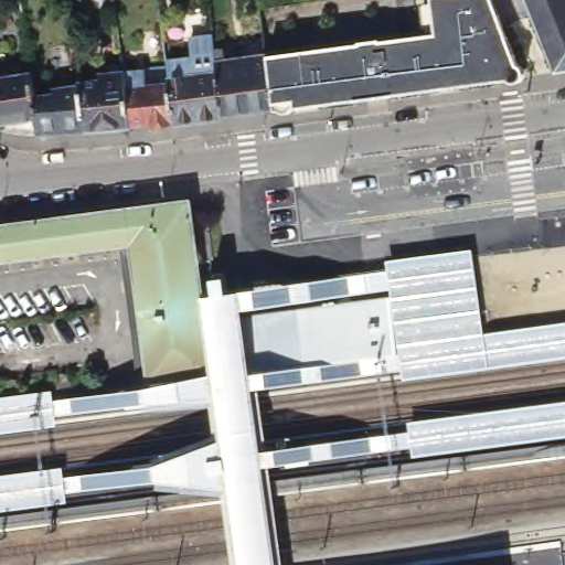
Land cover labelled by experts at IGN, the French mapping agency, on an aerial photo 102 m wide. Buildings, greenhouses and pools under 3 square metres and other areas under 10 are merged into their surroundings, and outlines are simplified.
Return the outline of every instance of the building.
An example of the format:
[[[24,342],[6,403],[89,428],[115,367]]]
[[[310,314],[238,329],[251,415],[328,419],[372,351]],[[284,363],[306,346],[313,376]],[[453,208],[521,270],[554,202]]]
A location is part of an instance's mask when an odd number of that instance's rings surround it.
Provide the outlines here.
[[[525,0],[530,7],[530,18],[539,29],[539,40],[545,51],[550,68],[565,68],[565,0]]]
[[[338,276],[296,285],[265,285],[238,294],[223,294],[221,280],[210,280],[207,298],[201,298],[199,256],[194,243],[190,201],[148,203],[117,210],[51,216],[38,221],[0,223],[0,265],[68,258],[110,249],[124,249],[128,254],[139,331],[139,364],[146,388],[66,399],[53,399],[51,393],[0,397],[0,435],[44,430],[62,424],[99,422],[141,413],[172,411],[207,411],[210,428],[216,435],[216,439],[210,446],[196,448],[181,457],[146,468],[77,477],[64,477],[57,468],[0,475],[0,512],[55,505],[64,503],[71,494],[84,492],[126,490],[146,486],[159,490],[177,490],[183,494],[225,492],[234,565],[283,565],[274,499],[269,468],[305,468],[320,461],[358,459],[399,450],[408,450],[411,457],[565,439],[565,402],[422,419],[411,422],[406,426],[406,433],[397,435],[360,437],[316,446],[280,448],[269,452],[260,452],[256,446],[265,439],[258,397],[260,391],[265,391],[269,397],[283,397],[364,386],[371,382],[415,382],[565,360],[565,322],[483,333],[472,271],[472,254],[466,249],[397,258],[386,263],[382,271],[371,274]],[[309,300],[331,300],[335,305],[338,298],[344,298],[349,294],[371,291],[388,291],[388,298],[380,300],[384,305],[380,322],[386,327],[386,342],[384,355],[380,355],[377,360],[362,360],[360,369],[355,364],[331,364],[322,375],[320,369],[280,369],[254,375],[247,373],[241,338],[243,311]]]
[[[51,86],[46,93],[33,95],[31,73],[20,71],[0,75],[0,117],[9,117],[13,124],[31,121],[33,135],[38,139],[60,135],[62,139],[68,139],[79,132],[95,130],[99,124],[119,128],[121,119],[128,119],[132,128],[159,126],[172,132],[185,132],[216,128],[218,124],[225,126],[274,119],[276,115],[309,115],[318,113],[316,104],[320,102],[366,99],[391,93],[455,86],[468,82],[508,79],[514,82],[514,88],[521,88],[525,84],[525,73],[512,55],[512,49],[508,44],[505,31],[501,26],[492,0],[426,0],[419,13],[422,24],[428,26],[428,33],[424,35],[362,40],[353,44],[274,55],[245,53],[227,57],[223,55],[223,51],[214,49],[214,44],[212,35],[192,33],[185,40],[185,57],[166,57],[163,62],[166,71],[152,71],[146,77],[143,71],[106,71],[102,66],[95,66],[93,79]]]

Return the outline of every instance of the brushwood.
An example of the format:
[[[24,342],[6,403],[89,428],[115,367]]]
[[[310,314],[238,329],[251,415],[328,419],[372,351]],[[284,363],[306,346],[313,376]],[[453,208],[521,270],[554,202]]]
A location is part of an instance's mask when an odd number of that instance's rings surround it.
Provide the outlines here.
[[[0,57],[22,55],[22,60],[31,60],[35,46],[40,46],[40,33],[35,26],[46,15],[53,22],[62,22],[66,26],[68,38],[64,46],[68,53],[68,66],[95,66],[102,66],[102,57],[97,42],[86,31],[77,29],[77,22],[71,15],[71,7],[66,0],[0,0]]]
[[[225,40],[232,33],[232,0],[174,0],[174,7],[185,15],[194,13],[196,9],[203,13],[203,24],[196,24],[192,33],[212,35],[214,44],[216,40]]]
[[[35,316],[13,316],[13,320],[20,329],[57,324],[60,320],[71,324],[73,318],[86,318],[88,311],[84,309],[75,313],[66,307],[66,311],[53,309]]]
[[[0,366],[0,397],[51,393],[53,399],[66,399],[57,382],[60,375],[66,375],[88,373],[86,362],[26,366],[20,371]]]
[[[252,13],[260,15],[269,11],[278,0],[236,0],[238,18]]]

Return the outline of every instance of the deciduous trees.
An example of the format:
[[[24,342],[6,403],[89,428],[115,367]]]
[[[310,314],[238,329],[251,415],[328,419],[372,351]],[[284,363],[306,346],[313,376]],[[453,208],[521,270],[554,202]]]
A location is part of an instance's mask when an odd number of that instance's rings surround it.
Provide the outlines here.
[[[126,13],[128,0],[104,0],[104,7],[99,7],[99,20],[106,33],[110,33],[110,29],[121,22],[121,13]]]
[[[66,375],[68,384],[95,388],[99,386],[99,380],[88,373]]]

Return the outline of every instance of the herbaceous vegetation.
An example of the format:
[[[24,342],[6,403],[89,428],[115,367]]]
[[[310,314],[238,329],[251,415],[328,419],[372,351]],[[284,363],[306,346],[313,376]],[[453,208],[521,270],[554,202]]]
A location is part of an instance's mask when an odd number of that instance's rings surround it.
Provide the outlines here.
[[[154,33],[157,55],[152,55],[152,60],[163,62],[166,57],[163,46],[172,42],[170,29],[183,29],[185,15],[174,7],[174,0],[128,0],[126,13],[121,13],[121,22],[110,29],[110,33],[106,33],[99,20],[99,7],[104,7],[104,0],[66,0],[71,7],[71,15],[77,22],[77,29],[86,31],[97,42],[102,57],[106,53],[117,55],[126,51],[130,55],[146,55],[143,35]]]
[[[419,13],[415,9],[386,7],[366,7],[364,11],[342,13],[338,11],[338,7],[324,7],[322,13],[313,18],[287,15],[278,22],[274,33],[232,33],[225,40],[216,40],[214,44],[214,49],[223,51],[223,55],[227,57],[245,53],[274,55],[353,44],[362,40],[424,35],[428,33],[428,26],[422,24]]]
[[[51,46],[64,46],[68,38],[66,26],[62,22],[53,22],[46,15],[35,26],[40,33],[40,46],[35,46],[31,60],[22,60],[22,55],[0,57],[0,75],[20,71],[31,73],[33,95],[46,93],[51,86],[93,79],[95,66],[68,66],[53,66],[51,57],[46,57],[46,51]]]

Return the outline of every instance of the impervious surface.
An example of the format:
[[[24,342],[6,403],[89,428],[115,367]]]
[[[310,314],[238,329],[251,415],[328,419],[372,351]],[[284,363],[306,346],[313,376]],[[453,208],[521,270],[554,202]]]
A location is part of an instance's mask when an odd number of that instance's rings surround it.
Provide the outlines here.
[[[380,322],[384,305],[380,300],[388,298],[388,291],[371,291],[349,294],[344,298],[338,298],[335,305],[331,300],[309,300],[243,311],[241,338],[247,373],[254,375],[280,369],[320,369],[322,375],[331,364],[355,364],[360,369],[362,360],[377,360],[380,355],[384,355],[386,342],[386,327]]]
[[[146,55],[130,55],[126,51],[117,55],[106,53],[102,57],[102,66],[106,71],[143,71],[146,77],[152,71],[166,71],[163,62],[152,60],[152,55],[157,55],[154,33],[143,35]]]
[[[172,132],[159,126],[132,128],[128,119],[121,119],[119,128],[99,124],[95,130],[79,132],[68,139],[62,139],[60,135],[38,139],[33,135],[31,121],[13,124],[9,117],[0,117],[0,223],[38,221],[51,216],[117,210],[148,203],[190,201],[194,243],[199,256],[201,298],[207,298],[210,280],[221,280],[223,294],[238,294],[265,285],[296,285],[338,276],[371,274],[382,271],[386,263],[397,258],[466,249],[472,254],[472,271],[483,333],[565,322],[565,68],[550,68],[545,51],[539,40],[539,29],[530,18],[530,7],[525,0],[492,0],[501,26],[505,31],[508,44],[512,49],[512,55],[525,73],[525,84],[521,88],[514,88],[514,82],[508,79],[468,82],[455,86],[391,93],[366,99],[320,102],[316,104],[318,113],[309,115],[276,115],[274,119],[225,126],[218,124],[216,128],[185,132]]]
[[[71,324],[60,320],[57,324],[20,329],[13,320],[13,316],[35,316],[53,309],[66,311],[66,307],[75,313],[84,309],[88,311],[86,318],[73,318]],[[60,375],[57,382],[66,399],[146,388],[139,364],[139,331],[128,254],[124,249],[110,249],[68,258],[0,265],[0,366],[20,371],[26,366],[86,362],[88,373],[99,380],[99,386],[95,388],[68,384],[66,375]]]
[[[126,490],[84,492],[71,494],[64,503],[55,505],[0,512],[0,525],[9,525],[9,519],[35,514],[60,519],[62,512],[82,505],[119,503],[146,497],[152,499],[159,497],[159,490],[146,486]]]
[[[505,556],[492,558],[494,565],[565,565],[565,550],[558,550],[558,543],[510,547]]]
[[[183,29],[170,29],[172,42],[163,46],[166,57],[185,57],[185,40],[192,33],[196,24],[203,24],[203,13],[196,9],[194,13],[185,15]]]
[[[324,7],[338,7],[338,11],[342,13],[364,11],[366,7],[386,7],[415,9],[419,13],[426,0],[278,0],[269,11],[260,15],[252,13],[238,18],[236,0],[232,0],[232,33],[274,33],[278,22],[287,15],[313,18],[322,13]]]
[[[408,450],[399,450],[358,459],[320,461],[305,468],[269,468],[274,499],[280,497],[278,481],[283,479],[404,466],[411,463],[411,457]]]
[[[51,46],[46,51],[46,57],[51,57],[53,66],[68,66],[68,53],[64,46]]]

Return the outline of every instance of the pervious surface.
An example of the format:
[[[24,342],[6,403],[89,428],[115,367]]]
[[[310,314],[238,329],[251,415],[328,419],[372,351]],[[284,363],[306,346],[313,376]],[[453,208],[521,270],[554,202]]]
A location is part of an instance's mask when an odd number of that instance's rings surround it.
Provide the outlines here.
[[[0,565],[234,565],[225,492],[183,494],[177,490],[159,490],[159,497],[152,499],[146,497],[119,503],[82,505],[62,512],[60,519],[35,514],[9,519],[9,525],[0,525]]]
[[[62,424],[44,430],[0,435],[0,475],[57,468],[64,477],[77,477],[146,468],[181,457],[196,448],[210,446],[216,439],[216,435],[210,428],[207,411],[172,411],[141,413],[99,422]]]
[[[256,446],[260,452],[269,452],[280,448],[316,446],[360,437],[397,435],[406,433],[406,426],[411,422],[422,419],[565,402],[565,360],[415,382],[371,382],[364,386],[283,397],[269,397],[265,391],[260,391],[258,397],[265,439]]]
[[[492,558],[505,556],[510,547],[558,543],[558,550],[565,550],[565,439],[411,457],[411,463],[404,466],[283,479],[278,481],[280,497],[274,499],[283,565],[494,565]]]

